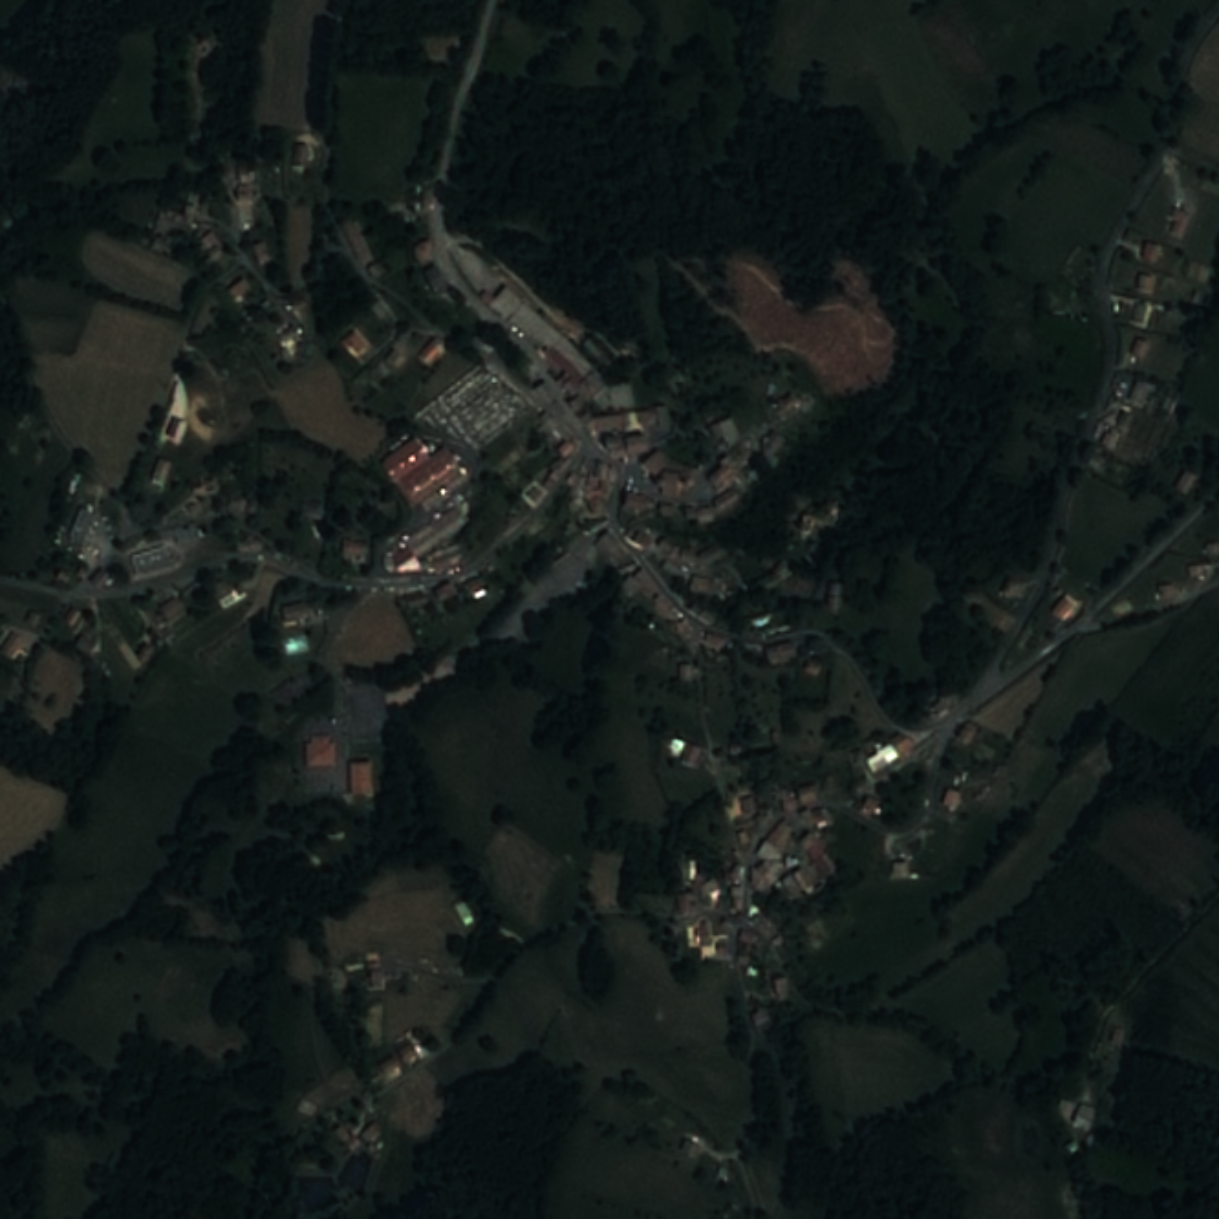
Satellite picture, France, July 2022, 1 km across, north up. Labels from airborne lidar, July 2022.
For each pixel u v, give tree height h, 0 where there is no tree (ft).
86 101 61
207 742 0
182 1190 37
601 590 58
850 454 65
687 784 0
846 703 0
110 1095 57
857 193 39
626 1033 0
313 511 0
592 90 26
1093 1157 31
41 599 0
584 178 64
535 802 0
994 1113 0
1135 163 0
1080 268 0
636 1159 0
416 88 0
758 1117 35
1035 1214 0
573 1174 0
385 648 0
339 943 0
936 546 79
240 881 56
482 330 45
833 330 0
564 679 0
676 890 31
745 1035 48
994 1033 0
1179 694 0
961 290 70
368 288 27
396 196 0
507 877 0
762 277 0
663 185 86
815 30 0
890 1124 67
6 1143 0
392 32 63
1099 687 0
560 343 0
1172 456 22
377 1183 0
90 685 24
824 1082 0
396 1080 0
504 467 0
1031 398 22
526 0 32
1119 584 25
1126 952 87
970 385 49
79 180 0
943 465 80
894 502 64
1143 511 0
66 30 66
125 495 39
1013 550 52
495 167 34
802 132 69
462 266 0
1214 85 0
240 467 19
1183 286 0
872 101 0
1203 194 0
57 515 36
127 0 57
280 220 35
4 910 83
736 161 54
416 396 0
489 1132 66
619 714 0
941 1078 0
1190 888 0
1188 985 0
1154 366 0
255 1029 44
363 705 0
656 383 48
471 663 51
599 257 51
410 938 0
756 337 0
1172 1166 66
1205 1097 77
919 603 0
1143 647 0
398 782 66
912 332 62
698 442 28
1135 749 71
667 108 32
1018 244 0
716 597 26
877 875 0
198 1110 32
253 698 41
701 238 78
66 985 43
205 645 0
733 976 0
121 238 37
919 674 0
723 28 0
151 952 0
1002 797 0
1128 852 0
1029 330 0
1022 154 0
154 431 35
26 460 0
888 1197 55
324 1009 47
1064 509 0
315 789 0
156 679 0
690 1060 0
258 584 0
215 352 0
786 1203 44
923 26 0
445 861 56
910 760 0
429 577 0
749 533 64
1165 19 0
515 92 55
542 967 0
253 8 63
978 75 0
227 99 39
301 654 0
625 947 0
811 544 21
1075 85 29
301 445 38
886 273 38
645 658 0
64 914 0
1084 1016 71
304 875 62
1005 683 0
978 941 30
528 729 0
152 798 0
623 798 0
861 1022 39
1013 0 0
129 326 0
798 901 23
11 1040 60
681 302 72
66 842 0
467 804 0
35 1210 62
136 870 0
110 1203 58
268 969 42
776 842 0
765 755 41
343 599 30
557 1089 56
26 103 74
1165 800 24
